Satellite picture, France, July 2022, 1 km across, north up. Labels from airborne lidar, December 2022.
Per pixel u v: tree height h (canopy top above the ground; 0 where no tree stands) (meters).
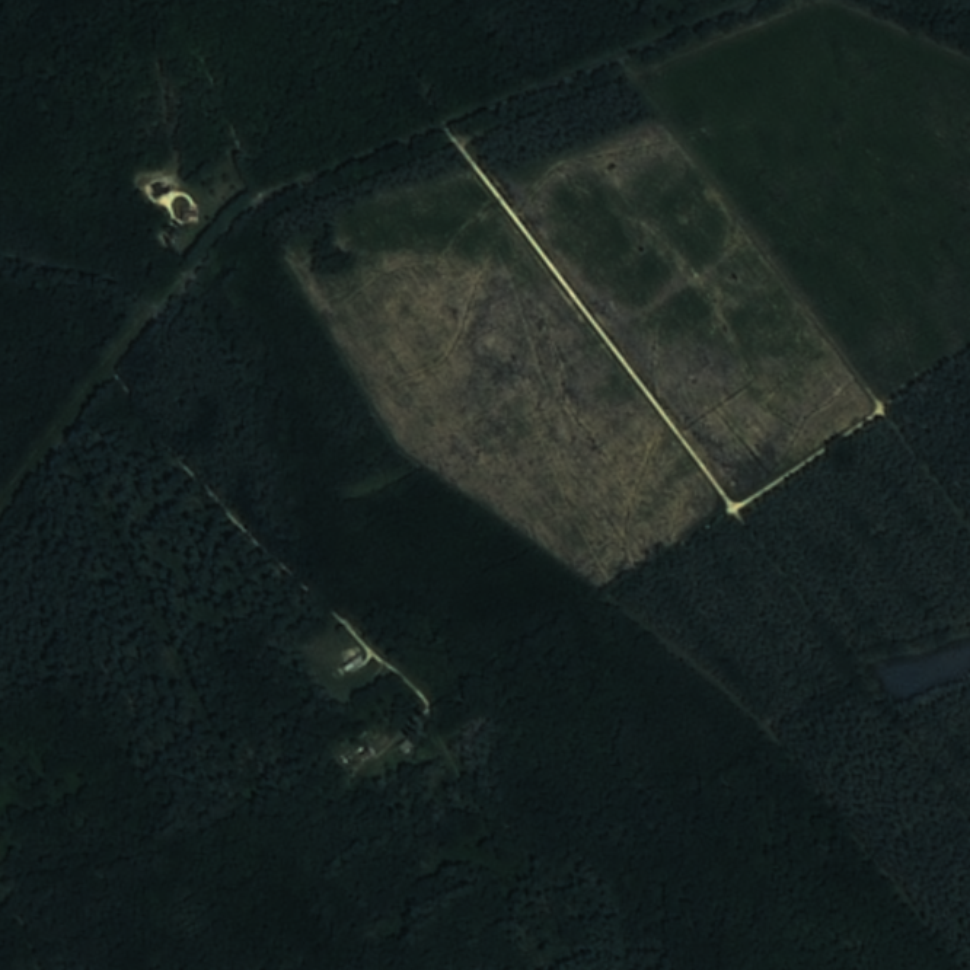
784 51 0
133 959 21
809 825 23
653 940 23
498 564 15
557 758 16
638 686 13
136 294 15
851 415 0
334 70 22
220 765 21
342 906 21
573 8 18
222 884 22
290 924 19
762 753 18
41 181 17
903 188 0
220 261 15
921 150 0
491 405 0
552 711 19
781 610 15
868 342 0
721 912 19
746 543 16
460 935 18
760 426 0
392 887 18
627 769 23
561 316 0
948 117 0
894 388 0
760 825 22
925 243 0
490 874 17
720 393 0
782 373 0
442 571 11
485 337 0
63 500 31
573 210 0
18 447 16
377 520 10
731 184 0
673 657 13
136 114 12
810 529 16
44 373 16
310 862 23
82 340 21
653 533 0
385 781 19
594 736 18
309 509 16
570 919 17
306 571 24
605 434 0
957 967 20
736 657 18
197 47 10
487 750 27
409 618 23
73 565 32
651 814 24
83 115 17
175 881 17
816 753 24
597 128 24
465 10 24
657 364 0
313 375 12
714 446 0
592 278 0
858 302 0
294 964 19
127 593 30
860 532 15
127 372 18
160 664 31
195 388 23
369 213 0
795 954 17
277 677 21
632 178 0
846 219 0
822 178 0
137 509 24
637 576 11
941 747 20
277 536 22
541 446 0
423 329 0
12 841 11
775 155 0
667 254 0
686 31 18
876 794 22
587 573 0
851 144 0
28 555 27
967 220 0
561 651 23
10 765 13
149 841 18
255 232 18
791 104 0
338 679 0
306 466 15
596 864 18
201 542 32
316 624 13
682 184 0
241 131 13
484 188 0
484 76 17
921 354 0
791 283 0
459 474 0
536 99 19
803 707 18
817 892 20
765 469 0
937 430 21
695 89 0
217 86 10
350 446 10
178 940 16
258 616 26
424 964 19
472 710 20
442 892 19
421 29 22
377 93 16
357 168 23
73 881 21
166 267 20
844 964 15
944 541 19
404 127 19
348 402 10
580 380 0
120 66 11
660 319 0
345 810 19
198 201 0
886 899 24
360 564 12
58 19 11
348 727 12
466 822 22
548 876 20
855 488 16
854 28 0
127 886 23
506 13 23
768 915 17
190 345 23
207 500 22
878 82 0
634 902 21
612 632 6
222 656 24
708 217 0
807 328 0
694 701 12
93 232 18
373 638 12
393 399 0
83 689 22
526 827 16
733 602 19
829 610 19
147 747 21
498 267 0
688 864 26
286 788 31
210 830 19
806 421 0
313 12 20
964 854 23
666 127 0
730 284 0
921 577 19
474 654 16
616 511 0
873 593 17
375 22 21
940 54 0
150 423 21
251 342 7
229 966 20
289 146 17
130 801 19
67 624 36
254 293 12
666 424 0
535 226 0
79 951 21
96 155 15
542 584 17
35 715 20
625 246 0
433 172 20
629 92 21
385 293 0
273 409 30
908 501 18
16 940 20
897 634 18
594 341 0
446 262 0
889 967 18
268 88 18
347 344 0
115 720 26
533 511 0
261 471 23
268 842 24
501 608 14
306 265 0
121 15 19
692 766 15
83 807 17
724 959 16
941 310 0
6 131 19
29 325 18
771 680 14
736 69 0
